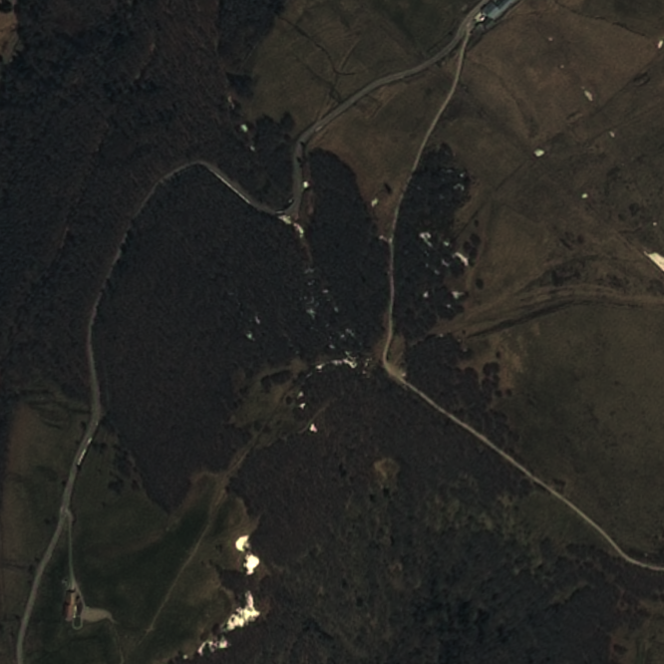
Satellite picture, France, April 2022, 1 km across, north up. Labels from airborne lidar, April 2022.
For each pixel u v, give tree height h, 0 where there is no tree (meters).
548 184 0
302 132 0
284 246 12
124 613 0
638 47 0
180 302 10
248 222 11
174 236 9
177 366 10
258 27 12
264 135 12
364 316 9
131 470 8
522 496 8
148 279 11
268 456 9
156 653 0
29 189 15
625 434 0
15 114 18
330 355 7
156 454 13
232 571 7
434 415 11
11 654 0
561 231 0
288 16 0
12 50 0
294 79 0
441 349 10
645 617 11
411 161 0
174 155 12
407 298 10
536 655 18
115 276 11
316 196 11
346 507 16
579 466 0
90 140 16
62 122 17
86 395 15
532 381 0
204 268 10
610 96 0
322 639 8
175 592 0
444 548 21
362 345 7
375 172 0
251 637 11
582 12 0
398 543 18
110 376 10
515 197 0
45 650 0
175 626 0
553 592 13
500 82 0
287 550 14
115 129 13
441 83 0
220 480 0
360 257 10
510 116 0
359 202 11
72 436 0
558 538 0
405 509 12
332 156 9
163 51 14
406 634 27
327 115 0
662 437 0
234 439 9
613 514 0
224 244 11
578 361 0
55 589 0
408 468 15
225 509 0
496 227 0
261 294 12
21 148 23
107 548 0
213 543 0
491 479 12
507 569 11
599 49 0
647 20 0
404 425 13
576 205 0
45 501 0
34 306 18
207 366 10
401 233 8
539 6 0
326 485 14
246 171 16
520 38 0
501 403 0
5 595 0
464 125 0
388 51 0
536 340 0
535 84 0
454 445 12
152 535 0
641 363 0
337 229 12
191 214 12
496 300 0
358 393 9
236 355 9
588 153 0
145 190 11
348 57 0
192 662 7
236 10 17
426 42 0
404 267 10
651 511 0
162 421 11
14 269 19
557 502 0
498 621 20
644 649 0
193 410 11
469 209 0
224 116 19
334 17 0
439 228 0
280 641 16
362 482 10
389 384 11
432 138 0
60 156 19
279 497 15
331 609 16
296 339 10
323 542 12
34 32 20
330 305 9
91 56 19
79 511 0
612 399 0
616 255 0
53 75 12
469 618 14
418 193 11
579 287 0
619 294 0
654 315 0
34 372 18
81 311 14
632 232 0
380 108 0
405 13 0
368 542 25
